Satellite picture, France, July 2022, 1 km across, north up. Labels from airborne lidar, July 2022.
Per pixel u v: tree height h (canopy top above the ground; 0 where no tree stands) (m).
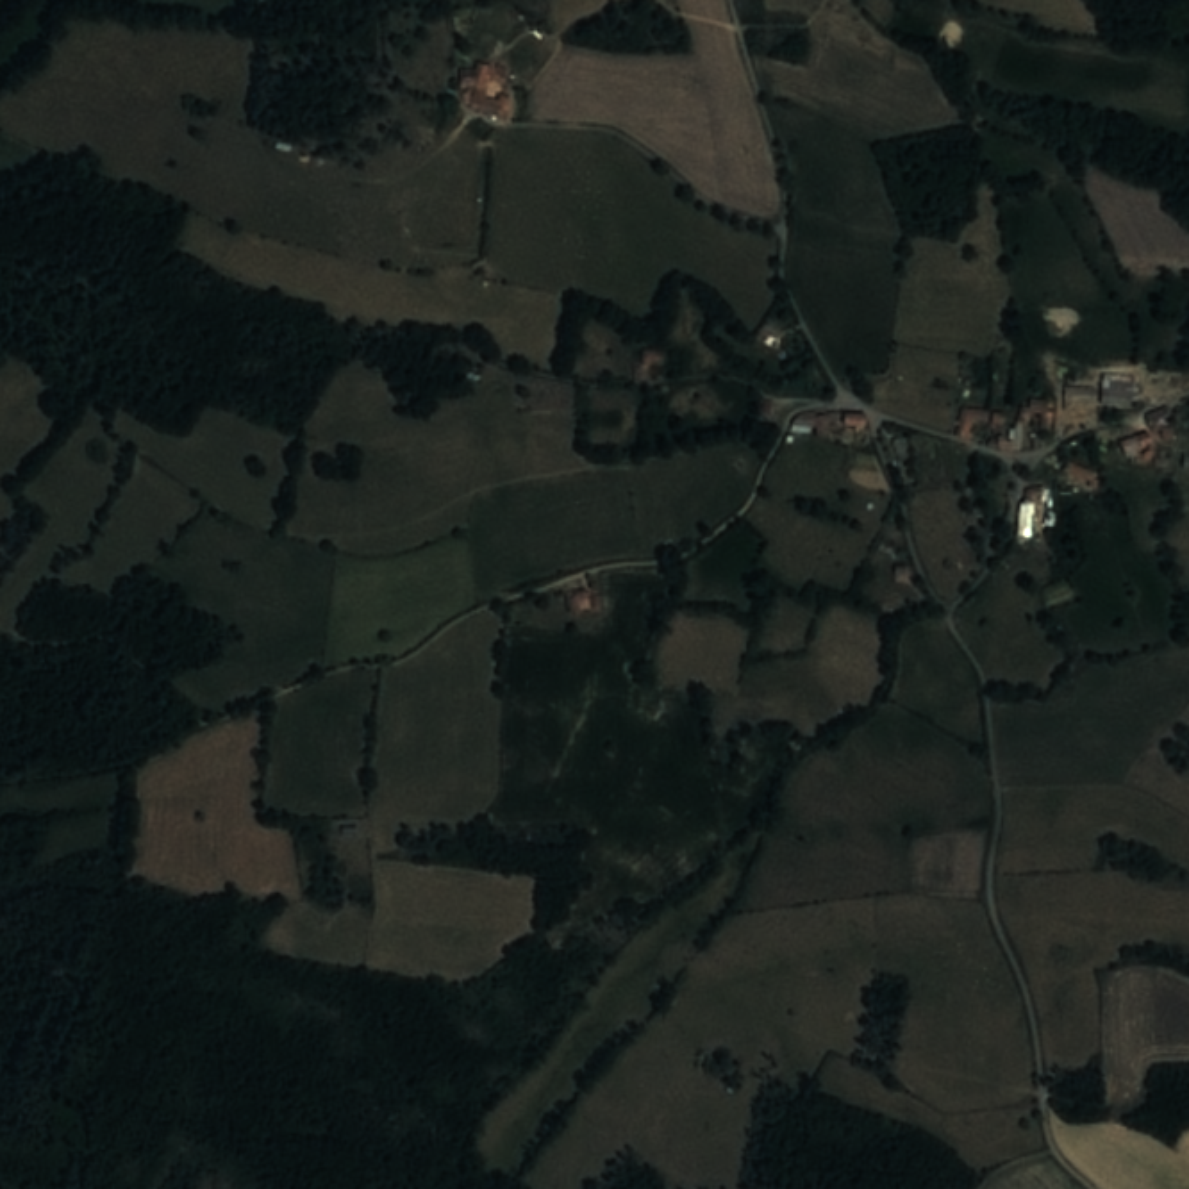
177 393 17
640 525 0
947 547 0
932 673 0
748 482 0
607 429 0
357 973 9
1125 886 0
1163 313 14
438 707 0
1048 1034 0
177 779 0
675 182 0
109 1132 9
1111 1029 0
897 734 0
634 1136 0
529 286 0
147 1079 9
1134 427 0
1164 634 0
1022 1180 0
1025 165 0
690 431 13
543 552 0
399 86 11
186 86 0
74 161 14
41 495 0
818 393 12
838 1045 0
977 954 0
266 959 7
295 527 0
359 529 0
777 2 0
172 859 0
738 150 0
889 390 0
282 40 10
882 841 0
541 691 0
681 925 0
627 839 0
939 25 0
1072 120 14
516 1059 8
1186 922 0
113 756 14
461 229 0
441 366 11
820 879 0
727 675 0
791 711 0
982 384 7
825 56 0
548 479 0
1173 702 0
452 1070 8
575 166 0
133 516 0
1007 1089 0
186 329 12
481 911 0
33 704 8
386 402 0
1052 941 0
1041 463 0
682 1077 0
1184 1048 0
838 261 0
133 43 0
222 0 0
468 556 0
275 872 0
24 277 12
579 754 0
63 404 19
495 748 0
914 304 0
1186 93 0
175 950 9
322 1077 6
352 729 0
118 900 13
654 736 0
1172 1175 0
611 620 0
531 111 0
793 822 0
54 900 12
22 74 20
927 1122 0
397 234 0
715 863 14
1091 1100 9
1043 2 0
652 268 0
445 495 0
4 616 0
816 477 0
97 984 19
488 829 9
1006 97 12
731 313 17
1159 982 0
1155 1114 10
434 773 0
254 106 17
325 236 0
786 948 0
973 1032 0
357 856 0
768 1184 11
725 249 0
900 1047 10
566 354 17
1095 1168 0
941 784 0
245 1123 10
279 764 0
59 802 0
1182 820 0
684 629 0
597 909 0
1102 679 0
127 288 10
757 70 0
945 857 0
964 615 0
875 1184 10
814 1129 8
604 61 0
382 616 0
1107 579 0
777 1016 0
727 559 0
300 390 11
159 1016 12
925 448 0
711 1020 0
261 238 0
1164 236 0
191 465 0
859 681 0
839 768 0
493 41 0
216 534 0
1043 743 0
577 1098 6
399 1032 8
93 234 18
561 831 9
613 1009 0
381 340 9
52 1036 24
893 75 0
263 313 6
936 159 12
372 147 12
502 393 0
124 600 16
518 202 0
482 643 0
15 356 18
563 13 0
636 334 17
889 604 0
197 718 14
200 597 0
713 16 0
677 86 0
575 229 0
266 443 0
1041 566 0
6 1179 7
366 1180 12
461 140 0
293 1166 9
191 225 0
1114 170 19
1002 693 16
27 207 22
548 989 6
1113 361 0
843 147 0
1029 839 0
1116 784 0
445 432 0
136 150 0
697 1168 0
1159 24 17
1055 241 0
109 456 0
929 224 7
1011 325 14
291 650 0
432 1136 7
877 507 0
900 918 0
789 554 0
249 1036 8
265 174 0
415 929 0
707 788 0
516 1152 0
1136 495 0
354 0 7
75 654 10
